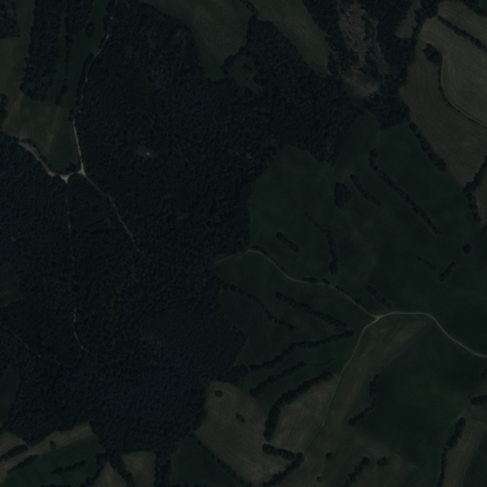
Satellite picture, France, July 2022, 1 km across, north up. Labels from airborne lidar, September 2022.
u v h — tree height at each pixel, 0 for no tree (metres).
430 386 0
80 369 25
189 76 22
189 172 20
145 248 24
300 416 0
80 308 20
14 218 27
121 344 27
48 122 0
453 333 0
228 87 13
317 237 0
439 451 0
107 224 8
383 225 0
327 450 0
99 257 18
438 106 0
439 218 0
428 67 0
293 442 0
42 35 22
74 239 19
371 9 29
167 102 15
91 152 10
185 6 0
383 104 24
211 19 0
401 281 0
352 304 0
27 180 21
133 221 24
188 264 30
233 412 0
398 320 0
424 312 0
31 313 7
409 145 0
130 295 24
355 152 0
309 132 27
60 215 20
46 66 9
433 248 0
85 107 19
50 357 26
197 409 20
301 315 0
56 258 17
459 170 0
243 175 20
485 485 0
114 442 23
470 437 0
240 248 24
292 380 0
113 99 8
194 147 16
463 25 0
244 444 0
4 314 7
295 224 0
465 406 0
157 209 16
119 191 12
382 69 0
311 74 21
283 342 0
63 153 0
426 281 0
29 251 23
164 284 19
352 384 0
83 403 24
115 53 13
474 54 0
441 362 0
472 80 0
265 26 21
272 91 9
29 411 16
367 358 0
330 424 0
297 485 0
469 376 0
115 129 20
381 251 0
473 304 0
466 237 0
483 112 0
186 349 23
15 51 0
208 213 12
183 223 26
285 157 0
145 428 15
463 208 0
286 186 0
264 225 0
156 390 26
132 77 5
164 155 8
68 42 17
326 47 0
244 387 0
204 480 0
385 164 0
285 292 0
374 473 0
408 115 17
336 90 28
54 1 21
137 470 0
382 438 0
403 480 0
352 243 0
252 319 0
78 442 0
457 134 0
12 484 0
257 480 0
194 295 17
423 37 0
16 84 0
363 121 0
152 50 7
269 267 0
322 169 0
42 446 0
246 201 22
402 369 0
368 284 0
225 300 0
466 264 0
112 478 0
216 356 27
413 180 0
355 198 0
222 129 17
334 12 24
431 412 0
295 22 0
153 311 22
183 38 23
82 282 16
